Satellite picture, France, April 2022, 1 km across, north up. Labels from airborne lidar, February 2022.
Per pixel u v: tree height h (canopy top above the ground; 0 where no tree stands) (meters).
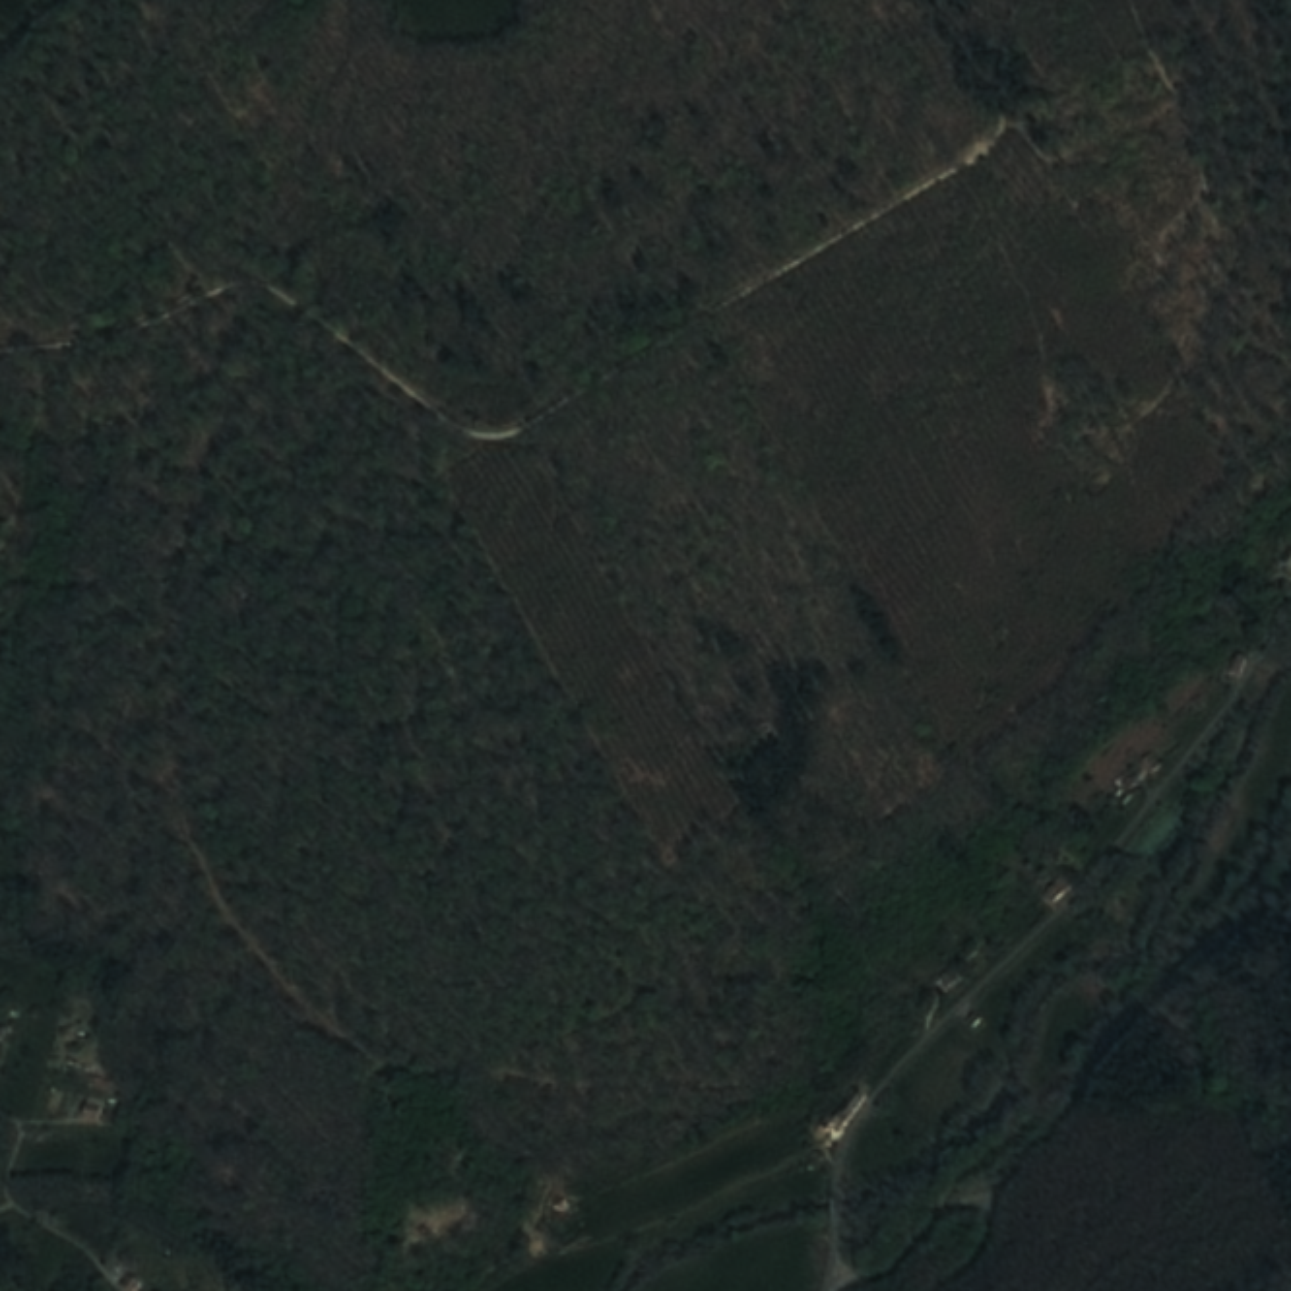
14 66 27
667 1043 28
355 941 27
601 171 18
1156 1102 22
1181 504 13
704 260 20
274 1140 29
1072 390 27
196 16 27
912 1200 23
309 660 10
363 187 9
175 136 29
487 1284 15
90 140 27
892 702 24
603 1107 27
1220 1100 22
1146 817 0
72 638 28
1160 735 0
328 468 27
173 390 29
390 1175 30
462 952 29
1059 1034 0
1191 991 24
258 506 25
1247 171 32
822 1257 0
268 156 19
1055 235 8
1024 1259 15
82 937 30
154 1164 22
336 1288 31
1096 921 13
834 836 24
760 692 21
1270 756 0
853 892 34
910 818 27
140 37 31
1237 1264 10
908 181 16
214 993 32
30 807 29
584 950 24
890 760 23
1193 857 23
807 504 21
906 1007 14
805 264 9
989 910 19
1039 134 12
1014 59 23
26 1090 0
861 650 21
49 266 27
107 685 32
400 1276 24
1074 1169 13
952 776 27
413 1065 30
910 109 20
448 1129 21
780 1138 0
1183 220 0
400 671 27
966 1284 12
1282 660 21
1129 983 21
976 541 8
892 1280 13
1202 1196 13
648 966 25
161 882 29
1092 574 9
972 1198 0
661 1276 16
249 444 30
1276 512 19
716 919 28
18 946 20
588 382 20
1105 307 8
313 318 13
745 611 23
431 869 25
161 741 24
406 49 24
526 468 8
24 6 0
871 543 11
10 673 25
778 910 30
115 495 27
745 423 21
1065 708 29
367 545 29
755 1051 31
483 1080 31
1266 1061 20
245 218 27
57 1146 0
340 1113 31
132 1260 16
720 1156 0
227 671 24
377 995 26
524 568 7
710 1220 0
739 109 23
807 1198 0
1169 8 9
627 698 6
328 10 26
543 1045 25
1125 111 10
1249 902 23
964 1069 0
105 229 30
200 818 28
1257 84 34
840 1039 25
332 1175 27
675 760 7
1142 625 30
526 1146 34
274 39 30
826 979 23
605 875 26
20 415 34
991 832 24
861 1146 0
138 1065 25
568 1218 0
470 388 11
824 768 24
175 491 24
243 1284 18
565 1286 0
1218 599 28
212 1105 29
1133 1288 10
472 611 31
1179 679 24
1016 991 0
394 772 27
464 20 0
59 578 19
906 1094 0
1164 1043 34
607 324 24
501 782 26
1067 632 11
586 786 29
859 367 10
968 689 9
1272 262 31
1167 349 9
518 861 27
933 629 9
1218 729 0
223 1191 31
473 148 0
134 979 23
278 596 27
